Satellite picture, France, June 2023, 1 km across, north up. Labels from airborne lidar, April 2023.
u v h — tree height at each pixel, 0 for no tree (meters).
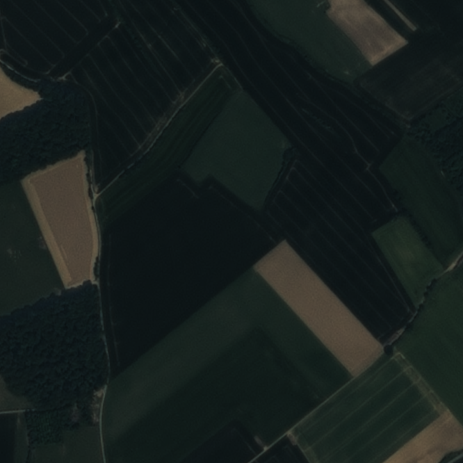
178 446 0
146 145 0
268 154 0
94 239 0
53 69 0
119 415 0
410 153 0
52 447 0
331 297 0
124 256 0
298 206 0
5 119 14
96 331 25
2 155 29
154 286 0
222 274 0
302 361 0
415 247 0
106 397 0
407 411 0
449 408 0
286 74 0
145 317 0
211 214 0
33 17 0
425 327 0
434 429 0
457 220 0
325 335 0
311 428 0
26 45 0
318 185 0
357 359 0
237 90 0
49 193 0
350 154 0
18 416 0
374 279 0
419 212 0
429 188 0
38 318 30
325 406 0
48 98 21
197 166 0
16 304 0
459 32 0
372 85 0
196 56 0
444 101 0
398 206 0
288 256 0
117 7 8
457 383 0
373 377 0
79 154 0
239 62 0
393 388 0
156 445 0
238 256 0
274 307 0
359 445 0
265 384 0
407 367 0
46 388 19
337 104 0
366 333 0
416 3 0
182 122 0
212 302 0
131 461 0
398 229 0
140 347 0
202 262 0
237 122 0
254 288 0
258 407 0
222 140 0
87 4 0
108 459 0
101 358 23
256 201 0
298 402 0
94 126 0
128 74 0
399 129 0
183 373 0
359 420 0
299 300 0
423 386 0
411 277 0
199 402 0
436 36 0
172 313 0
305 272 0
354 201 0
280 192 0
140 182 0
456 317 0
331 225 0
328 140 0
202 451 0
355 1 0
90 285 20
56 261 0
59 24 0
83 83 0
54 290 0
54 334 29
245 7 0
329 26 0
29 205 0
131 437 0
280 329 0
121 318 0
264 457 0
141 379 0
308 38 0
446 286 0
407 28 0
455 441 0
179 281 0
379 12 0
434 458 0
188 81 0
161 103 0
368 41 0
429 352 0
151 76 0
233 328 0
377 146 0
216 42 0
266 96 0
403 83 0
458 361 0
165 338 0
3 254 0
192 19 0
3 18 0
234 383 0
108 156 0
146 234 0
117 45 0
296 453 0
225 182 0
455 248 0
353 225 0
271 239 0
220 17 0
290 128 0
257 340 0
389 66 0
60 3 0
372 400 0
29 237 0
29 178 0
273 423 0
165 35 0
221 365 0
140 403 0
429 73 0
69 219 0
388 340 0
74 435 0
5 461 0
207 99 0
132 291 0
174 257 0
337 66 0
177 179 0
